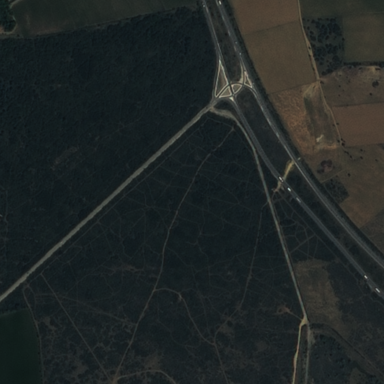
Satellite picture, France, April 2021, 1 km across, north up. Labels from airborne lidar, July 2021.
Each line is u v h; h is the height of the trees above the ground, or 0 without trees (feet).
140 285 0
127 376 0
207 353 0
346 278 0
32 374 0
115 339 0
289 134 0
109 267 0
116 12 0
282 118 0
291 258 0
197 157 0
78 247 0
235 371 0
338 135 0
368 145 0
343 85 0
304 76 0
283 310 0
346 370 38
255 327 0
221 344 0
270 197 0
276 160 0
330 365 0
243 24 0
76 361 0
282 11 0
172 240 0
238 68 0
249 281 0
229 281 0
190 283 0
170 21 21
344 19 0
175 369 0
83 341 0
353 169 0
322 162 0
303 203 0
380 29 0
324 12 0
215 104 0
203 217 0
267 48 0
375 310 0
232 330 0
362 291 0
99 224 0
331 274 0
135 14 0
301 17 0
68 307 0
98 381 0
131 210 0
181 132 0
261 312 0
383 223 0
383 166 0
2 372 0
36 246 0
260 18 0
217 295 0
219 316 0
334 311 0
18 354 0
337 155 0
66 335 0
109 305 0
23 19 0
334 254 0
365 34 0
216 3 0
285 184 0
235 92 0
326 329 0
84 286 0
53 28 0
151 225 0
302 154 0
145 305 0
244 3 0
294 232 0
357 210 0
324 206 0
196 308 0
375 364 0
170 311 0
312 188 0
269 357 0
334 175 0
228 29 0
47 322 0
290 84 0
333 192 0
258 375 0
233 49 0
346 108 0
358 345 0
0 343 0
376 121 0
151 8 0
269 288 0
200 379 0
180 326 0
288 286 0
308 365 0
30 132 27
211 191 22
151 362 0
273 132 0
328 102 0
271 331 0
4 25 27
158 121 0
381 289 0
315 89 0
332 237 0
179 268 0
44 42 23
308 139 0
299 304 0
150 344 0
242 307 0
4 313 31
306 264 0
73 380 0
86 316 0
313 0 0
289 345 0
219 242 0
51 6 0
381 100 0
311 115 0
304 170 0
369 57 0
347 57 0
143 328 0
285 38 0
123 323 0
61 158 0
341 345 31
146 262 0
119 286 0
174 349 0
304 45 0
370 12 0
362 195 0
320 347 0
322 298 0
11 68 19
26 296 0
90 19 0
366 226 0
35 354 0
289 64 0
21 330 0
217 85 0
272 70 0
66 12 0
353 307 0
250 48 0
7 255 19
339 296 0
